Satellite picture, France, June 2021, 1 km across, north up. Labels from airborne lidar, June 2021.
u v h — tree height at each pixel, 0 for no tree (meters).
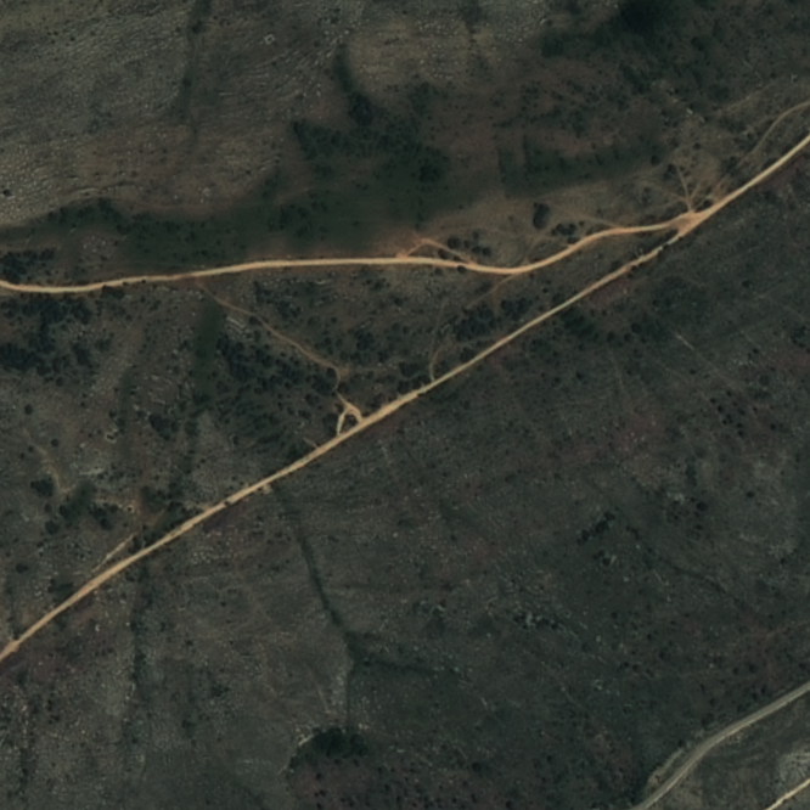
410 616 0
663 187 0
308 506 0
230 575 0
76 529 0
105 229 0
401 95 0
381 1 0
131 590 0
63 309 7
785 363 0
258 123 0
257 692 0
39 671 0
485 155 0
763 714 0
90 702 0
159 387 0
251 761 0
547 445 0
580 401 0
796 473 0
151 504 0
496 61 0
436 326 0
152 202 0
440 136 0
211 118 0
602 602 0
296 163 0
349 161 0
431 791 0
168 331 0
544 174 0
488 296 0
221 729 0
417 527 0
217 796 0
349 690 0
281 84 0
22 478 0
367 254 0
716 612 0
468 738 0
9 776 0
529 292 0
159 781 0
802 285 0
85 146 0
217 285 0
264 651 0
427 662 0
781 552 0
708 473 0
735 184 0
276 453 0
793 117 0
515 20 0
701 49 6
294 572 0
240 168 0
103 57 0
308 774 0
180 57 0
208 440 0
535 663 0
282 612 0
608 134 0
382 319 0
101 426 0
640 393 0
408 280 0
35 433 0
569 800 0
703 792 0
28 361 10
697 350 0
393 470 0
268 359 8
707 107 0
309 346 0
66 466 0
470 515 0
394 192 0
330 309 0
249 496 0
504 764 0
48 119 0
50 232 0
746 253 0
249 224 0
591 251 0
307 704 0
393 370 0
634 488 0
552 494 0
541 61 0
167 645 0
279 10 0
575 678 0
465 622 0
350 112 7
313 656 0
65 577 0
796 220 0
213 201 0
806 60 0
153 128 0
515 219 0
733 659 0
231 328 0
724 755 0
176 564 0
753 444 0
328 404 0
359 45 0
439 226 0
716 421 0
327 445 0
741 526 0
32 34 0
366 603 0
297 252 0
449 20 0
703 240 0
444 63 0
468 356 7
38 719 0
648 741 0
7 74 0
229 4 0
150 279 0
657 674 0
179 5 0
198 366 0
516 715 0
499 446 0
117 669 0
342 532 0
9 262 10
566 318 7
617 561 0
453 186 0
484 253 6
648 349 0
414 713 0
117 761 0
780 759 0
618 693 0
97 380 0
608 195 0
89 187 0
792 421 0
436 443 0
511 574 0
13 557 0
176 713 0
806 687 0
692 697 0
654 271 0
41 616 0
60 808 0
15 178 0
